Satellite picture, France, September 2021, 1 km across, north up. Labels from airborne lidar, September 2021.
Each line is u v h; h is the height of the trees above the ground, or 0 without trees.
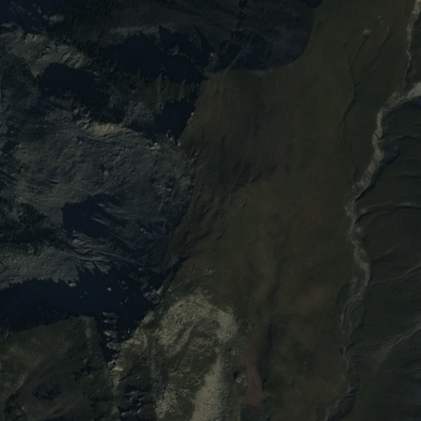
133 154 0
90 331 0
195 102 0
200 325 0
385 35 0
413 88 0
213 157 0
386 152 0
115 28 0
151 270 0
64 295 0
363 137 0
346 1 0
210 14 0
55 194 0
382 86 0
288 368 0
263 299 0
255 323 0
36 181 0
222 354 0
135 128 0
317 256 0
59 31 6
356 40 0
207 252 0
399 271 0
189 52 0
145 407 0
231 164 0
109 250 0
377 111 0
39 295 0
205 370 0
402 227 0
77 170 0
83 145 0
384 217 0
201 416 0
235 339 0
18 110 0
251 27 0
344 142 0
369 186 0
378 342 0
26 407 0
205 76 0
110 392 0
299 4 0
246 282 0
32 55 0
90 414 0
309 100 0
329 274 0
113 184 0
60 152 0
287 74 0
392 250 0
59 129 0
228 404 0
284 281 0
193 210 0
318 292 0
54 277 0
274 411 0
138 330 0
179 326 0
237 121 0
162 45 0
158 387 0
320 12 0
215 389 0
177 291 0
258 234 0
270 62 0
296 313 0
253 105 0
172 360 0
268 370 0
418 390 0
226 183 0
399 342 0
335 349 0
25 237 0
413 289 0
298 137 0
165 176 0
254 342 0
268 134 0
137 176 0
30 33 0
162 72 0
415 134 0
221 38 0
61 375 0
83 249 0
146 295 0
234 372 0
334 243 0
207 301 0
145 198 0
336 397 0
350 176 0
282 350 0
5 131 0
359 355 0
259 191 0
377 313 0
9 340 0
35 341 0
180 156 0
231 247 0
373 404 0
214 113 0
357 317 0
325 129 0
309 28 0
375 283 0
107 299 0
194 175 0
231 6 0
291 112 0
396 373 0
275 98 0
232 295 0
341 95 0
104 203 0
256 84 0
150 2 0
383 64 0
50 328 0
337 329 0
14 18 0
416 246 0
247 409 0
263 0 0
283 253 0
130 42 0
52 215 0
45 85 0
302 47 0
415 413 0
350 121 0
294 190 0
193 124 0
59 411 0
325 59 0
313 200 0
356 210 0
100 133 0
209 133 0
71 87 0
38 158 0
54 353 0
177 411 0
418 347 0
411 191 0
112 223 0
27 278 0
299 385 0
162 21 0
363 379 0
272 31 0
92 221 0
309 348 0
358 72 0
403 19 0
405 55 0
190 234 0
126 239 0
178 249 0
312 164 0
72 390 0
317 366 0
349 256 0
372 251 0
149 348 0
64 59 0
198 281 0
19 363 0
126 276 0
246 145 0
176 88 0
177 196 0
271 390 0
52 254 0
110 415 0
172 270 0
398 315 0
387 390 0
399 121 0
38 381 0
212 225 0
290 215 0
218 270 0
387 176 0
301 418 0
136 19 0
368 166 0
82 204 0
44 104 0
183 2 0
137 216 0
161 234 0
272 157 0
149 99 0
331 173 0
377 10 0
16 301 0
